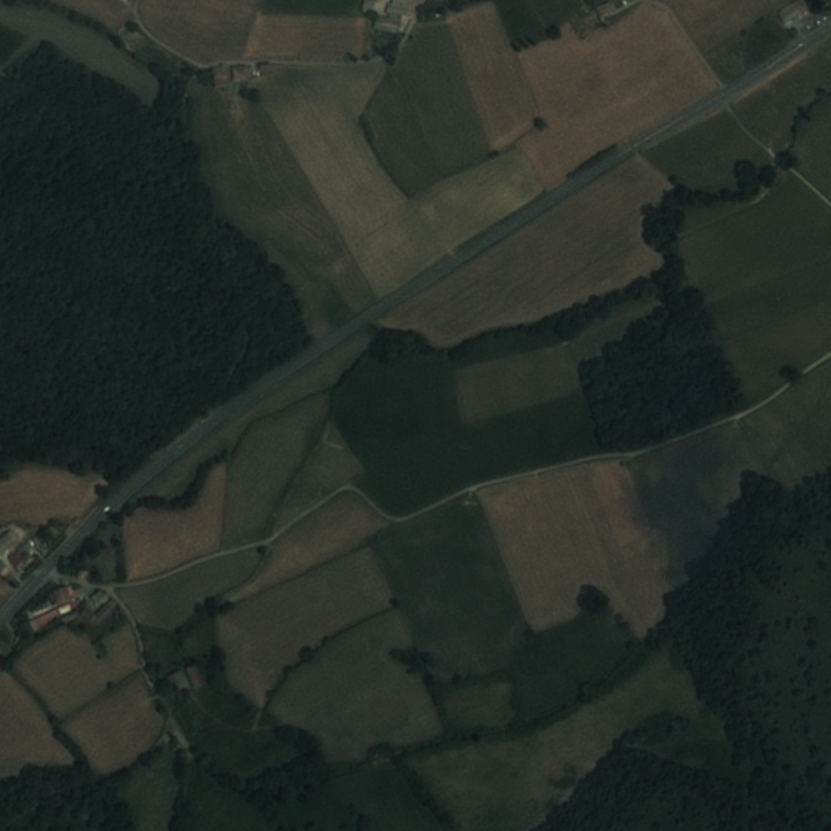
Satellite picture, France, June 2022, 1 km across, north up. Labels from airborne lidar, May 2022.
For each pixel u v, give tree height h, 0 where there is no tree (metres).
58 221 11
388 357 15
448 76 0
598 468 0
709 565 14
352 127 0
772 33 0
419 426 0
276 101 0
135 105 19
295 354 11
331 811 0
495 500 0
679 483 0
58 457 20
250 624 0
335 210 0
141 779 0
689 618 20
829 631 0
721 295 0
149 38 0
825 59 0
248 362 15
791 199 0
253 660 0
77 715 0
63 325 18
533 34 0
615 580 0
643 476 0
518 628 0
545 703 0
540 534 0
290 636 0
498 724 0
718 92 0
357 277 0
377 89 0
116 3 0
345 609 0
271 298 18
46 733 0
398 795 0
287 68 0
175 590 0
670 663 0
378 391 0
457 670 0
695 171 0
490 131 0
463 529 0
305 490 0
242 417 0
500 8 0
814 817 9
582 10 0
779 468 0
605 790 8
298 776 21
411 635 0
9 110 15
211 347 20
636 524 0
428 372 0
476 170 0
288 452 0
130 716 0
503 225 0
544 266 0
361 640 0
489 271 0
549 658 0
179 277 18
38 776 19
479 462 0
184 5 0
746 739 17
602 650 0
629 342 13
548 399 0
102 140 13
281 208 0
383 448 0
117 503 0
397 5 0
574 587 0
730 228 0
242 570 0
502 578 0
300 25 0
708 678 18
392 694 0
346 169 0
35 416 15
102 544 14
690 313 27
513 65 0
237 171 0
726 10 0
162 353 17
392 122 0
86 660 0
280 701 0
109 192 15
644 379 17
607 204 0
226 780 14
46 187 13
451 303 0
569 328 22
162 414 12
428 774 0
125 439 12
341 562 0
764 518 15
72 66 8
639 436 22
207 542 0
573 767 0
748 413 0
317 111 0
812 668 8
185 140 11
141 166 13
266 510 0
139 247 16
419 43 0
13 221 19
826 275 0
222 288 14
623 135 0
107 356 20
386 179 0
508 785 0
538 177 0
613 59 0
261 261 16
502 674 0
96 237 11
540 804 0
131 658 0
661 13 0
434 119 0
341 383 9
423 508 0
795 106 0
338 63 0
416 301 0
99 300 11
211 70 6
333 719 0
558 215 0
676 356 21
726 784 13
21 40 0
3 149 14
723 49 0
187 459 0
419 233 0
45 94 21
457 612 0
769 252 0
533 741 0
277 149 0
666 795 6
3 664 22
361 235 0
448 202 0
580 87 0
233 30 0
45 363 17
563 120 0
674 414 22
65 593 0
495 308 0
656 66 0
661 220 13
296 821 0
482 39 0
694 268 0
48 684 0
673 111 0
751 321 0
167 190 16
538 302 0
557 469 0
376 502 0
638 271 0
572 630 0
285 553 0
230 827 0
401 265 0
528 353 0
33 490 0
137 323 18
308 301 0
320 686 0
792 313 0
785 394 0
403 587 0
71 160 15
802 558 0
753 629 12
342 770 0
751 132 0
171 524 0
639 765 11
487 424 0
